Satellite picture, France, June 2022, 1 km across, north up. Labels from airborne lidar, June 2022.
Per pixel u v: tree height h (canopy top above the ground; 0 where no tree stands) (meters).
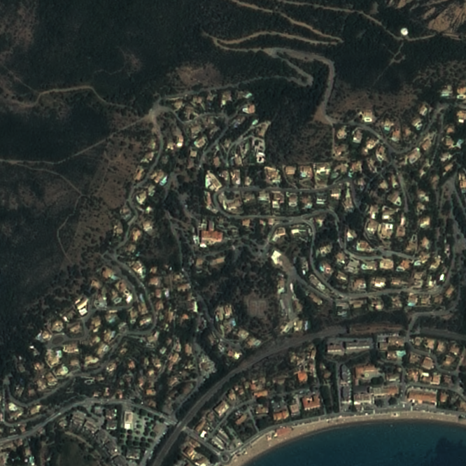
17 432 6
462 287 7
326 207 8
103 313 7
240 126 6
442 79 7
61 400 7
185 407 13
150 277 9
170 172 8
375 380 11
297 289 9
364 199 9
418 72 7
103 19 8
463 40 9
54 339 0
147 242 6
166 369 8
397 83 6
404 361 7
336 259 9
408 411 0
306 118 6
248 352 8
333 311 6
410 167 9
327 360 8
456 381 12
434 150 6
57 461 9
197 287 12
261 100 8
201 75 0
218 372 10
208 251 6
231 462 0
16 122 6
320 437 0
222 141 5
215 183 0
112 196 0
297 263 8
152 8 7
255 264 9
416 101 7
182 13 8
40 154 7
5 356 10
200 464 0
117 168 8
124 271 7
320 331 9
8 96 7
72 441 6
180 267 16
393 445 0
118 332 7
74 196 0
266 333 9
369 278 7
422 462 0
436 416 0
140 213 6
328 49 8
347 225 13
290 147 6
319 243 6
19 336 9
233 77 6
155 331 7
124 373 9
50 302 6
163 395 8
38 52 7
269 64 9
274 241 0
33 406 6
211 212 7
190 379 10
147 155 0
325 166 0
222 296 9
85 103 8
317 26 6
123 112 8
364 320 8
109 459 11
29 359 9
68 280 9
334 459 0
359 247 0
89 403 0
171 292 7
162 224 8
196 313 6
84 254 6
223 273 9
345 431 0
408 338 0
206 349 8
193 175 8
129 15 7
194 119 13
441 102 8
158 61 6
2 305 6
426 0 6
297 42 9
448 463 0
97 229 7
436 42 7
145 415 11
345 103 0
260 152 0
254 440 0
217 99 6
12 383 10
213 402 8
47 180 0
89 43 6
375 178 7
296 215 7
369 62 7
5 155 5
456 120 8
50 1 8
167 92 8
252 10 8
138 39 6
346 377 0
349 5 7
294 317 0
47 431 10
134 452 0
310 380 11
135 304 10
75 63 6
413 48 8
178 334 9
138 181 8
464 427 0
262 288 9
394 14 11
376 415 0
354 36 8
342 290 9
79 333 0
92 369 8
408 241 8
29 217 6
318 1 6
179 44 7
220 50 7
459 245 0
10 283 6
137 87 7
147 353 8
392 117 6
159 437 0
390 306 8
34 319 10
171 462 8
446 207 9
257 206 6
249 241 9
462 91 0
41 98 0
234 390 7
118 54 6
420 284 0
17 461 11
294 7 8
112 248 16
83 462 0
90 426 0
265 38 9
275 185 7
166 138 8
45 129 6
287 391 11
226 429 8
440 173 8
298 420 0
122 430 10
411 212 7
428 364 0
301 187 7
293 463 0
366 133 9
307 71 9
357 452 0
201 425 0
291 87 8
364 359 10
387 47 6
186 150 8
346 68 7
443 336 7
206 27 7
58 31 7
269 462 0
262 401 14
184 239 10
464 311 8
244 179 7
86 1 6
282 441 0
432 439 0
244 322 7
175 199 8
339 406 6
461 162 8
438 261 0
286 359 8
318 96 8
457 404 8
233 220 7
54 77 8
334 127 8
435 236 13
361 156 7
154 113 0
